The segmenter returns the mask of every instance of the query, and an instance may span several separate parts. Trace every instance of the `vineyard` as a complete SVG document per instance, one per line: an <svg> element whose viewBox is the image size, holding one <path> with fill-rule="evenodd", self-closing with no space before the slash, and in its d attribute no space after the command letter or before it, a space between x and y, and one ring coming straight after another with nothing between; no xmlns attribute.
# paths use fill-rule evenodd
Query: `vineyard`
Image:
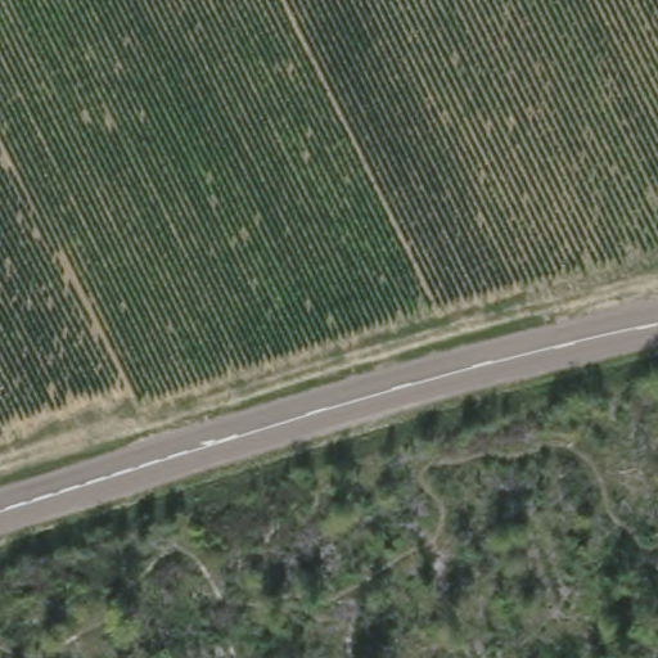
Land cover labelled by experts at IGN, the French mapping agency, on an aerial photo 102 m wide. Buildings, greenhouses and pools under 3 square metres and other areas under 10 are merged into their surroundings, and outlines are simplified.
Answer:
<svg viewBox="0 0 658 658"><path fill-rule="evenodd" d="M324 339L337 339L362 326L388 321L391 316L396 316L396 311L406 314L419 306L442 306L455 298L470 298L511 283L529 283L545 275L573 272L583 265L583 254L591 254L594 262L617 262L625 257L625 244L630 242L637 244L643 252L658 247L658 0L0 0L0 442L13 442L15 437L31 434L49 422L69 419L85 409L113 409L131 393L144 398L170 393L182 386L216 378L226 373L226 368L254 365L270 357L311 347Z"/></svg>

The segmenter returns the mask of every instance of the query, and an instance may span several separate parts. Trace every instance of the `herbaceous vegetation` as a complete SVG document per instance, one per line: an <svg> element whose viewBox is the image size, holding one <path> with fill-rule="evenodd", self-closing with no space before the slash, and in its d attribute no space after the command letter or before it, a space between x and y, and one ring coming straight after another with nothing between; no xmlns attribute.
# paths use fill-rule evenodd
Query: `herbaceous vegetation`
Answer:
<svg viewBox="0 0 658 658"><path fill-rule="evenodd" d="M95 506L77 517L64 517L57 522L54 529L23 529L13 540L8 540L5 535L0 537L0 573L18 565L23 558L46 558L57 550L93 553L98 545L118 540L126 532L139 532L141 537L147 537L154 524L170 524L177 514L190 517L190 527L203 529L206 524L218 524L224 517L229 517L239 506L239 496L247 496L252 491L262 494L267 486L285 486L290 481L290 473L298 468L319 470L332 465L360 470L360 463L368 455L396 452L411 450L416 440L452 442L468 429L473 429L478 437L486 437L488 445L491 440L501 437L522 437L529 429L542 429L545 416L555 411L555 406L565 404L565 398L571 396L609 398L612 386L622 386L625 380L643 380L658 373L658 337L635 355L622 355L583 368L568 368L553 375L519 380L511 383L506 391L491 388L470 393L465 398L447 398L386 429L365 432L362 427L352 427L339 432L337 442L332 442L329 437L314 437L308 442L296 442L290 447L272 450L244 463L229 463L221 468L195 473L190 478L154 488L152 494L144 494L139 501L121 499L113 504Z"/></svg>
<svg viewBox="0 0 658 658"><path fill-rule="evenodd" d="M396 316L391 316L388 321L362 326L337 339L324 339L311 347L270 357L254 365L226 368L226 373L216 378L182 386L170 393L144 398L131 393L113 409L85 409L69 419L49 422L31 434L15 437L13 442L0 442L0 452L28 447L62 432L82 429L85 424L111 419L136 419L141 429L118 440L85 447L80 452L0 473L0 486L44 476L90 458L100 458L105 452L129 447L131 442L170 429L180 429L193 422L239 414L260 404L288 398L319 386L339 383L350 375L362 375L375 368L419 360L432 352L496 339L535 326L553 326L558 319L576 319L658 296L658 247L643 252L637 244L630 242L625 244L625 257L617 262L594 262L591 254L583 254L583 265L573 272L545 275L529 283L511 283L470 298L455 298L442 306L419 306L406 314L396 311Z"/></svg>

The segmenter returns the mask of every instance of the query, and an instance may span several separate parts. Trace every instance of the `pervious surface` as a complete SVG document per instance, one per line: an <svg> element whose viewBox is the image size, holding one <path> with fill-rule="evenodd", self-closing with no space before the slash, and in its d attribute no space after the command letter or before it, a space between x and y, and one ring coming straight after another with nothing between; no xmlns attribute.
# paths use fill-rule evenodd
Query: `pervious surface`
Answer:
<svg viewBox="0 0 658 658"><path fill-rule="evenodd" d="M0 473L80 452L85 447L118 440L141 429L136 419L111 419L85 424L82 429L62 432L28 447L0 452Z"/></svg>

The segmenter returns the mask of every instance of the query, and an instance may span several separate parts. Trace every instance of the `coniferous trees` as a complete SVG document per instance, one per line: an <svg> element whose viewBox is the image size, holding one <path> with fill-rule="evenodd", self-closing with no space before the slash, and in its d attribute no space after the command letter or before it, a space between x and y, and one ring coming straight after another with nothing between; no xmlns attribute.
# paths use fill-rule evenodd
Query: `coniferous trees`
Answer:
<svg viewBox="0 0 658 658"><path fill-rule="evenodd" d="M529 429L522 437L501 437L491 440L488 445L486 437L478 437L473 429L468 429L452 442L416 440L411 450L396 452L398 463L411 470L411 478L396 486L393 494L386 499L357 504L347 514L329 517L314 529L298 532L293 547L293 555L298 558L296 565L272 560L272 555L280 550L275 537L267 542L262 540L262 545L231 547L229 553L218 553L203 560L203 529L190 527L190 517L177 514L170 524L154 524L147 537L144 547L139 550L144 571L152 573L165 555L182 553L200 571L200 576L211 586L213 599L249 607L242 614L239 627L229 630L226 643L216 645L213 653L218 658L650 658L640 640L630 637L630 627L632 614L637 609L648 607L653 617L658 617L658 373L643 380L625 380L622 386L612 386L609 398L571 396L565 398L565 404L555 406L555 411L545 416L542 429Z"/></svg>
<svg viewBox="0 0 658 658"><path fill-rule="evenodd" d="M141 625L136 619L123 619L118 609L108 609L105 604L87 604L72 607L67 612L67 622L57 625L49 635L31 635L26 650L21 653L23 658L118 658L134 640L141 637Z"/></svg>

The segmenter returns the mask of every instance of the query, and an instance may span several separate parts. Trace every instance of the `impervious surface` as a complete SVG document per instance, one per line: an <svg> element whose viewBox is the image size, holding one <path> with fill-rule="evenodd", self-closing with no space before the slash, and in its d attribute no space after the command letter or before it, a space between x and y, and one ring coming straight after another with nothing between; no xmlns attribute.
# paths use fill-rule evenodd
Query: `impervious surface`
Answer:
<svg viewBox="0 0 658 658"><path fill-rule="evenodd" d="M129 447L105 452L100 458L90 458L44 476L0 486L0 537L5 535L8 540L13 540L23 529L54 529L57 522L64 517L77 517L95 506L113 504L121 499L139 501L144 494L152 494L154 488L190 478L195 473L221 468L229 463L244 463L272 450L290 447L296 442L308 442L314 437L329 437L332 442L337 442L339 432L352 427L362 427L365 432L386 429L447 398L465 398L470 393L491 388L506 391L511 383L519 380L553 375L568 368L583 368L622 355L635 355L658 337L658 296L576 319L558 319L553 326L535 326L496 339L432 352L419 360L375 368L362 375L350 375L339 383L319 386L288 398L260 404L239 414L193 422L180 429L170 429L131 442Z"/></svg>

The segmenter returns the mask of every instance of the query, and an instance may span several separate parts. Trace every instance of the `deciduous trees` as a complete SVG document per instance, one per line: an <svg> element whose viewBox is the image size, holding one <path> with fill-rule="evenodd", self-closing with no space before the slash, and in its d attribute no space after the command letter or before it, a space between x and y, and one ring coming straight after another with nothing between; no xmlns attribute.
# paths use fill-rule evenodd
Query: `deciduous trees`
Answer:
<svg viewBox="0 0 658 658"><path fill-rule="evenodd" d="M648 607L637 609L632 614L630 627L630 637L640 640L650 658L658 658L658 617L653 617Z"/></svg>
<svg viewBox="0 0 658 658"><path fill-rule="evenodd" d="M386 499L393 494L396 486L411 478L411 470L398 463L396 452L368 455L360 463L360 470L332 465L319 470L298 468L290 473L290 481L285 486L267 486L262 494L252 491L247 496L239 496L239 506L229 517L224 517L218 524L206 524L203 529L203 560L218 553L229 553L231 547L262 545L262 540L267 542L275 537L280 550L272 555L272 560L296 565L298 558L293 555L293 547L298 532L314 529L329 517L347 514L357 504Z"/></svg>
<svg viewBox="0 0 658 658"><path fill-rule="evenodd" d="M93 553L57 550L46 558L23 558L18 565L0 573L0 658L23 658L21 653L26 650L31 635L49 635L57 625L67 622L67 612L72 607L87 604L105 604L108 609L118 609L123 619L136 619L141 625L141 637L134 640L118 658L218 658L213 653L216 645L226 643L229 630L239 627L242 614L249 607L213 599L211 586L200 576L200 571L182 553L165 555L152 573L144 571L139 550L144 547L147 537L141 537L139 532L126 532L118 540L98 545Z"/></svg>

